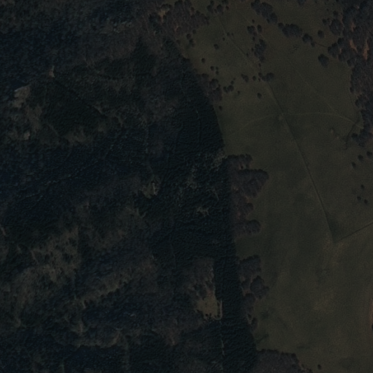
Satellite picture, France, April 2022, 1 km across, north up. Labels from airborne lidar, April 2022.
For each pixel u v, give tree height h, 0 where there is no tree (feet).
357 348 0
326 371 0
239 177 52
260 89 0
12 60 97
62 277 76
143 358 71
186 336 70
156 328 28
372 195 0
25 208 70
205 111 58
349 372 0
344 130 0
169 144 60
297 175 0
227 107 0
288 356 44
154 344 35
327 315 0
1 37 120
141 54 65
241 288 58
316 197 0
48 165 75
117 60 50
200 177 77
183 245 74
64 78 58
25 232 80
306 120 0
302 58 0
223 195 46
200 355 63
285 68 0
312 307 0
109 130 60
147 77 66
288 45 0
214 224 68
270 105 0
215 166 50
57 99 66
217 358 63
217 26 0
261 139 0
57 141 64
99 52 38
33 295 63
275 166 0
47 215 67
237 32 0
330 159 0
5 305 62
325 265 0
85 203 57
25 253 76
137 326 36
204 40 0
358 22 52
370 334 0
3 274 57
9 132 50
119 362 63
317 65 0
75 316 88
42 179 71
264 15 48
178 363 56
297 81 0
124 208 51
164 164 69
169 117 53
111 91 70
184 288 48
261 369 65
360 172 0
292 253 0
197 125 67
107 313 46
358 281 0
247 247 0
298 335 0
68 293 66
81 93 51
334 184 0
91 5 53
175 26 52
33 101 43
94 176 94
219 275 48
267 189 0
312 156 0
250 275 34
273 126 0
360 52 56
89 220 67
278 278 0
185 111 57
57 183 52
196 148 67
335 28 42
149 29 33
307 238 0
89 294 38
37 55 79
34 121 57
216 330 75
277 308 0
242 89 0
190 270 45
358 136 39
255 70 0
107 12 50
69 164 69
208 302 0
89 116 74
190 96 53
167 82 60
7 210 44
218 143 56
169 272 72
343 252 0
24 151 89
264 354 49
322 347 0
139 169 63
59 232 57
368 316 0
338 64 0
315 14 0
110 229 52
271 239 0
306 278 0
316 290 0
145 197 79
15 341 73
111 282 61
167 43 38
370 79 78
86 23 50
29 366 97
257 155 0
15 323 50
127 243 73
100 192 74
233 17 0
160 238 46
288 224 0
